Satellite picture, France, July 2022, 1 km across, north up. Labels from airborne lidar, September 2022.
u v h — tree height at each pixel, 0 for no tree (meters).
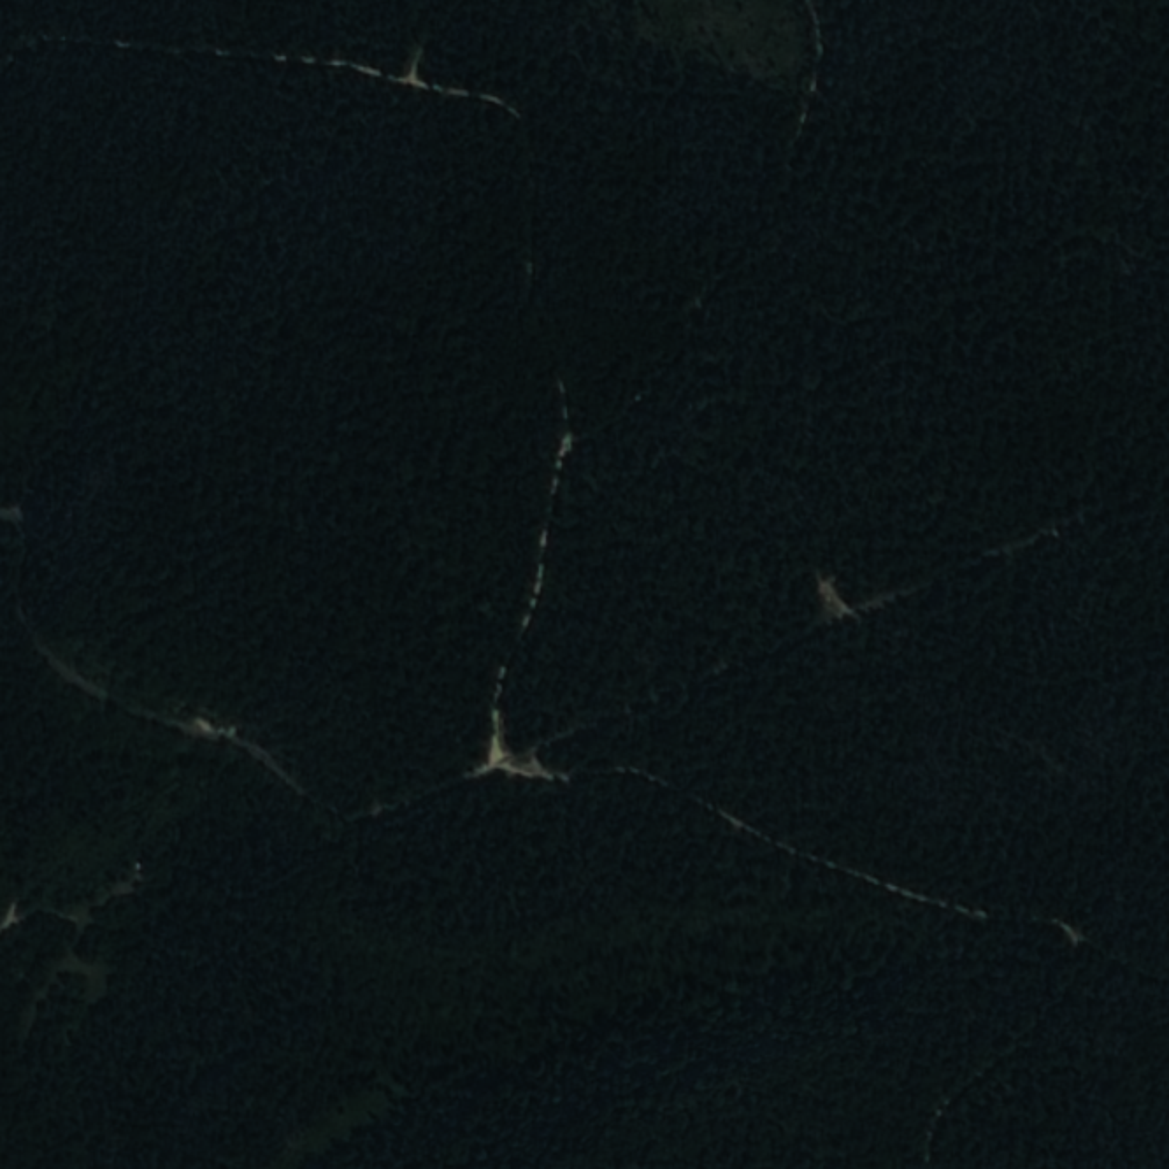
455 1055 16
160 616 17
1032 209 17
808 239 18
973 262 19
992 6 27
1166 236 23
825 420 21
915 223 14
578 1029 30
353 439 19
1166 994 18
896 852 13
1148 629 8
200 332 23
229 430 18
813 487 18
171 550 15
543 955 18
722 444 15
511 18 11
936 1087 17
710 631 21
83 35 6
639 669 18
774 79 9
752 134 11
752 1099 15
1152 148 13
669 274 10
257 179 13
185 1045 19
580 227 18
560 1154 22
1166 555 12
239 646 9
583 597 13
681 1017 9
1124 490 20
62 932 15
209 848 23
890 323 20
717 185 22
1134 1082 19
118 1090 16
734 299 13
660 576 19
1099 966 18
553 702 19
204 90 18
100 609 13
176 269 19
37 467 22
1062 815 23
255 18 19
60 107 22
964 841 13
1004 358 22
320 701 14
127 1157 16
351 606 21
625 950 28
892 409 21
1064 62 20
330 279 21
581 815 17
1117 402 11
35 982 14
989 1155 8
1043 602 18
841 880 16
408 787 12
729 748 17
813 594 11
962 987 17
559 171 15
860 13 14
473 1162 26
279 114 14
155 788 13
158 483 8
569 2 18
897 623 18
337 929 14
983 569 16
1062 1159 21
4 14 21
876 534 17
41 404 17
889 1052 18
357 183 29
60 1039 14
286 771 15
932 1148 9
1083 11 17
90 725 17
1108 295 16
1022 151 21
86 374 15
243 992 7
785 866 16
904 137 18
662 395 22
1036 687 21
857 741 10
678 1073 8
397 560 18
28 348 19
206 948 22
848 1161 18
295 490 17
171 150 16
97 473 19
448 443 17
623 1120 17
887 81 20
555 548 12
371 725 16
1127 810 11
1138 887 13
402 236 22
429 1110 15
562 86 20
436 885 23
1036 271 17
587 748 20
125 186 23
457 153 6
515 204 22
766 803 18
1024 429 10
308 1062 15
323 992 8
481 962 21
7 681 12
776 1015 30
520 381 16
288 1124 21
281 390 17
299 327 21
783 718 17
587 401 17
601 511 10
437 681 16
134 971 19
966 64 26
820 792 14
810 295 28
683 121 23
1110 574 10
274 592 21
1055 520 8
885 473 19
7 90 23
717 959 34
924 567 13
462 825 23
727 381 20
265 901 18
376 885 18
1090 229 10
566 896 13
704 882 18
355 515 19
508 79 8
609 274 13
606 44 19
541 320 17
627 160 12
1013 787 11
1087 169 27
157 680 10
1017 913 19
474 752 21
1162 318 16
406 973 18
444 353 13
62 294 20
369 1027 14
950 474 10
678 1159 15
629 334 9
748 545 19
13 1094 13
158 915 7
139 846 8
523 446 16
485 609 13
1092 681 21
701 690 17
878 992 33
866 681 13
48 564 16
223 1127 19
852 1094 16
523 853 15
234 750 15
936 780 15
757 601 20
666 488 17
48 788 15
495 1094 27
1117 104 16
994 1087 13
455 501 18
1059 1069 17
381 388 14
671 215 20
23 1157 15
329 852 20
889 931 21
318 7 13
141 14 21
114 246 19
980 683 12
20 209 14
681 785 15
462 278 18
